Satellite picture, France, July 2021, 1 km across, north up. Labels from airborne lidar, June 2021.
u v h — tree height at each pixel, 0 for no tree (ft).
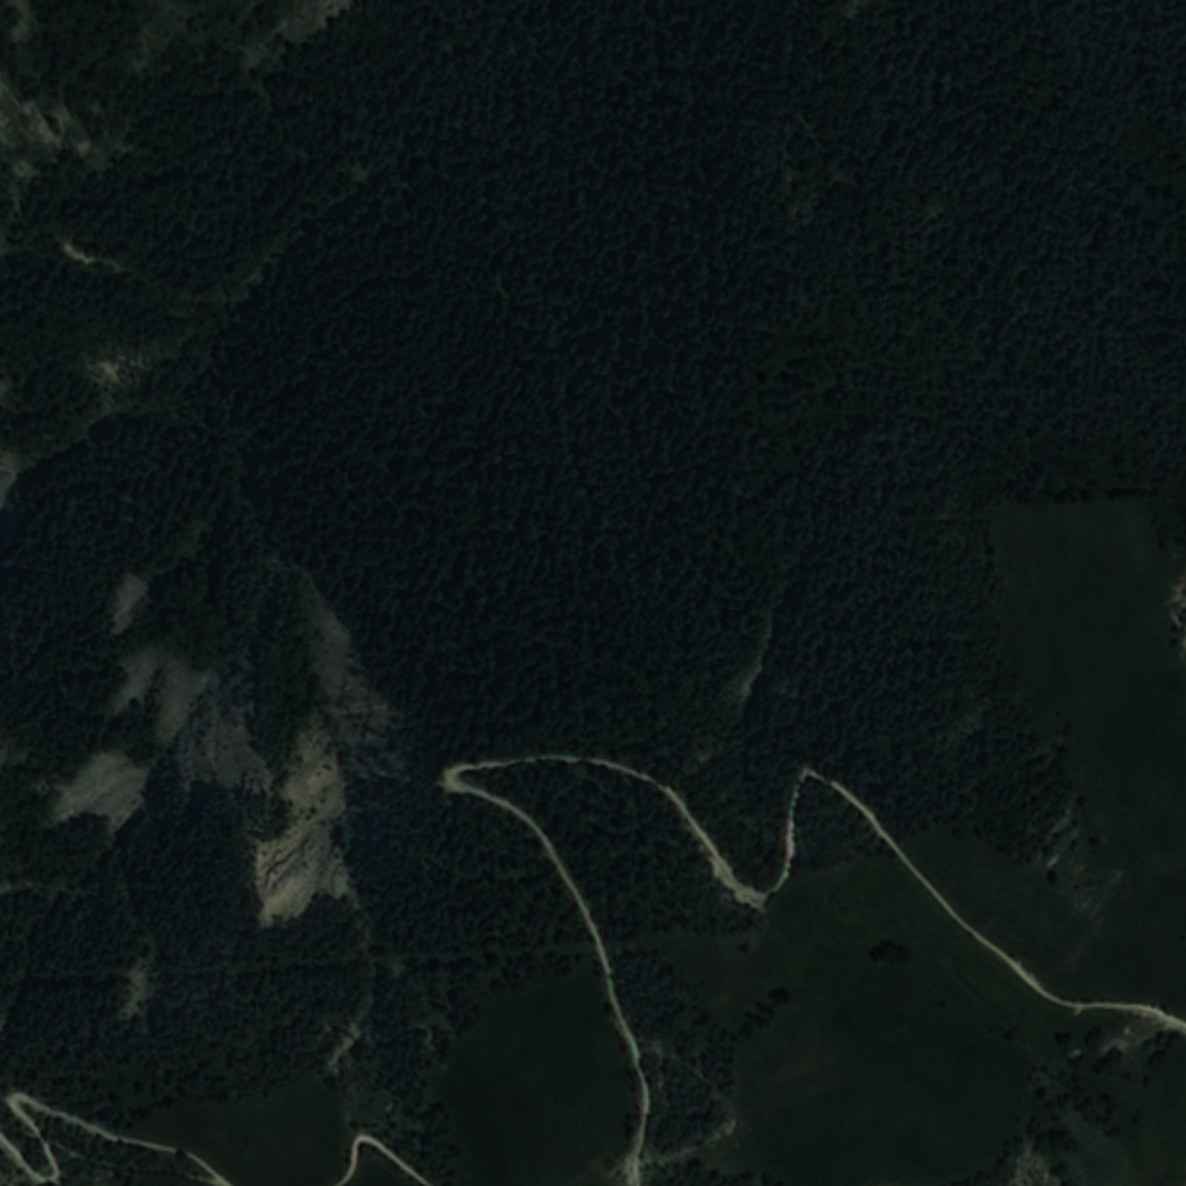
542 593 65
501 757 32
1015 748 48
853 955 0
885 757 34
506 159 102
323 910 31
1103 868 0
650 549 68
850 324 34
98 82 42
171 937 52
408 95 101
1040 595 0
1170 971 0
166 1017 37
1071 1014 0
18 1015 44
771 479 43
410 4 61
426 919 42
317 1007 48
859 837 47
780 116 20
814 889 0
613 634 52
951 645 53
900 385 59
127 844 87
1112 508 0
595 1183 0
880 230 40
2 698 44
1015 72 60
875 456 23
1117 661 0
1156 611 0
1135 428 20
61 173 61
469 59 102
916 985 0
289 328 74
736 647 64
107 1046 59
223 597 79
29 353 59
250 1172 0
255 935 54
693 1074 26
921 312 45
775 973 0
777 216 46
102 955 41
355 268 97
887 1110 0
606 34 73
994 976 0
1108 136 26
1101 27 95
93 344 39
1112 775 0
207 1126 0
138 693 0
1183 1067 0
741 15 65
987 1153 0
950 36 96
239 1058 42
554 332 40
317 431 96
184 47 29
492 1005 0
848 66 46
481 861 70
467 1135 0
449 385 95
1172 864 0
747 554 44
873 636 91
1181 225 44
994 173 62
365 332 84
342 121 107
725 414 32
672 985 31
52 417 97
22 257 40
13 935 63
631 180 105
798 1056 0
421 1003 32
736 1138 0
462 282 99
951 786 46
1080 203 37
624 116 46
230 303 26
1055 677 0
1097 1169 0
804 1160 0
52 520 89
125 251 56
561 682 37
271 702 42
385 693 40
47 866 38
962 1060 0
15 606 74
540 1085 0
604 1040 0
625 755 57
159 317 72
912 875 0
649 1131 24
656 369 121
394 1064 59
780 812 36
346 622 46
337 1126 0
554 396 106
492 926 47
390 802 37
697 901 42
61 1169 23
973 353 49
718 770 45
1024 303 95
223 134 69
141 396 60
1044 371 28
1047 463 61
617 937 42
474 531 29
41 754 46
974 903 0
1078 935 0
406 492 98
